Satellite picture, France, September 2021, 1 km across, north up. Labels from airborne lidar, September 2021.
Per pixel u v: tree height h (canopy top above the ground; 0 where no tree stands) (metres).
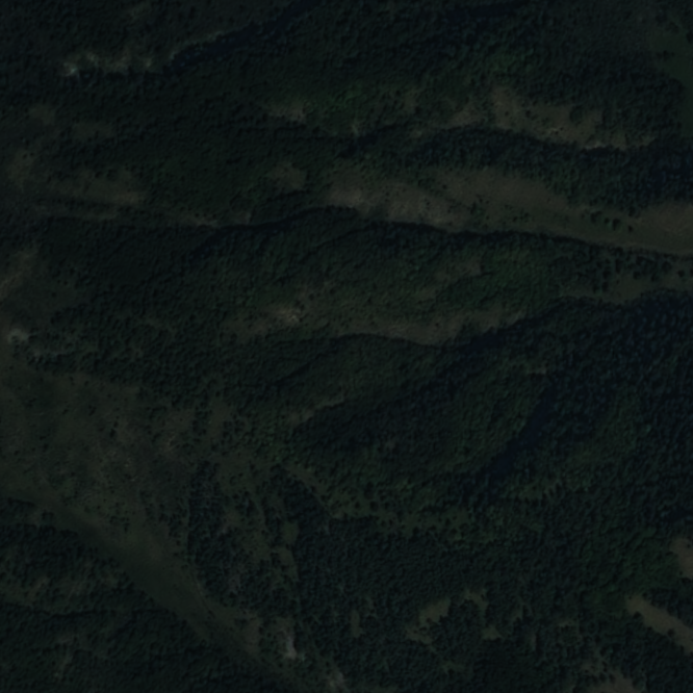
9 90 8
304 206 14
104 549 0
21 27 11
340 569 22
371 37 12
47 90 12
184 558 12
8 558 6
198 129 12
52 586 10
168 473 7
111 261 14
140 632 12
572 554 31
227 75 18
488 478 15
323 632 19
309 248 17
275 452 14
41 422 0
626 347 19
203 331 12
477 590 26
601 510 26
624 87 27
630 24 14
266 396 17
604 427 15
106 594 16
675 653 18
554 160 19
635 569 16
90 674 12
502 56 16
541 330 25
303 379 17
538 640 28
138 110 14
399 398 24
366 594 25
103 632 12
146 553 0
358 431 20
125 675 17
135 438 0
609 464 16
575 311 19
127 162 14
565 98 16
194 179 13
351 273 9
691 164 22
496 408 20
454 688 21
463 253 15
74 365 9
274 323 7
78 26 11
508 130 8
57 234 16
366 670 16
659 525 27
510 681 22
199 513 12
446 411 18
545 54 15
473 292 17
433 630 12
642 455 23
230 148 16
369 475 20
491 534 12
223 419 0
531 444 17
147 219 10
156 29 13
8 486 0
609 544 22
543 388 18
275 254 15
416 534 11
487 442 15
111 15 13
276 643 11
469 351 13
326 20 22
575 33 14
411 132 9
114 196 0
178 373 7
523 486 14
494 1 12
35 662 10
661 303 15
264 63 17
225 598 13
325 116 11
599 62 14
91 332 10
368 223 7
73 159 15
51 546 15
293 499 20
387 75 18
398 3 10
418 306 9
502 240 16
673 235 0
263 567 16
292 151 16
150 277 9
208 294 10
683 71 0
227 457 9
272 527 19
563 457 15
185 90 12
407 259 15
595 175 20
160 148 16
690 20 13
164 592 0
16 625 12
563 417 17
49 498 0
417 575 25
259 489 7
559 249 13
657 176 21
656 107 22
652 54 6
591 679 8
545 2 8
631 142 19
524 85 11
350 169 7
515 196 0
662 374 26
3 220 7
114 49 11
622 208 14
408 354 16
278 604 22
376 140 14
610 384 13
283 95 15
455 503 13
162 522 13
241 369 13
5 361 0
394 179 7
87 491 9
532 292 16
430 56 22
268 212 14
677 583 14
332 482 8
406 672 23
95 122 8
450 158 11
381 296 9
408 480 15
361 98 12
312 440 16
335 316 6
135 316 7
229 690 19
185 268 11
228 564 15
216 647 7
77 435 0
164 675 15
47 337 8
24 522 8
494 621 24
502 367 12
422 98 8
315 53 17
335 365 15
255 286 13
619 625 13
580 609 9
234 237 16
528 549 23
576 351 22
